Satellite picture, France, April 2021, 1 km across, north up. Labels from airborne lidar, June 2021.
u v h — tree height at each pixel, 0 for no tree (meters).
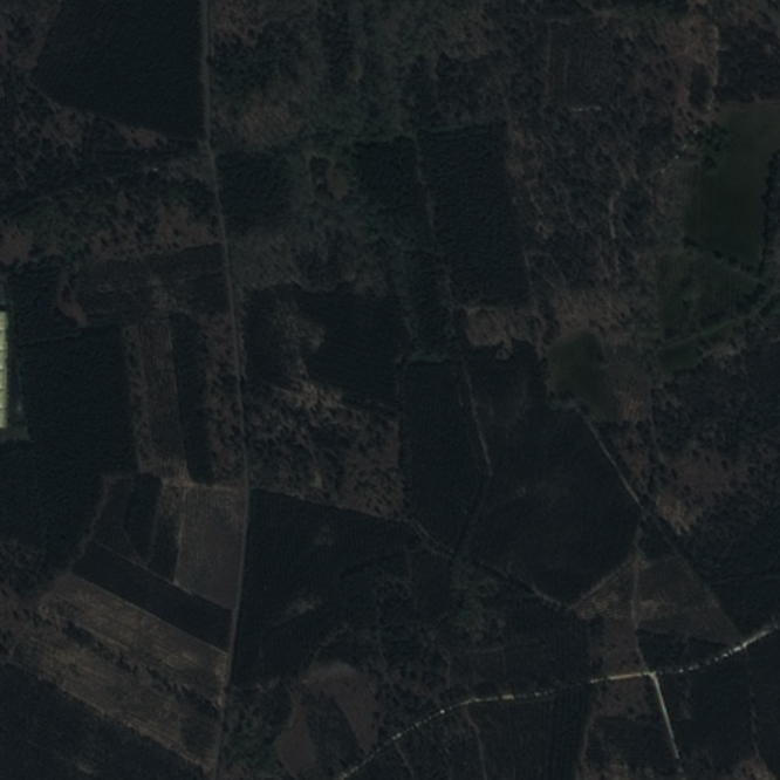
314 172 10
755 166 0
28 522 18
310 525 7
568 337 0
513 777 8
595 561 11
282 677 8
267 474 6
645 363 10
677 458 13
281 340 8
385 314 12
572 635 10
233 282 14
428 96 19
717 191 0
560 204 8
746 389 11
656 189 8
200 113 12
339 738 9
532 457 10
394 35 14
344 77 21
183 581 0
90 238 9
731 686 10
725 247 0
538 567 8
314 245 14
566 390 0
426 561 8
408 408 10
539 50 19
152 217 16
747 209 0
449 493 11
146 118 12
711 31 8
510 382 10
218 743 0
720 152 15
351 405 12
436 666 16
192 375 18
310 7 11
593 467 10
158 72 12
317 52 16
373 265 15
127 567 6
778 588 12
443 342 13
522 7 12
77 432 19
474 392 10
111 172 16
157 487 17
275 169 18
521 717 9
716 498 10
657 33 18
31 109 10
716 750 7
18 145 10
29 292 20
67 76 9
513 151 12
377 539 7
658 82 21
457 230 20
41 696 12
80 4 8
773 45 11
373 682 8
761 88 10
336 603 8
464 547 15
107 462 18
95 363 19
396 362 11
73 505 17
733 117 0
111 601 0
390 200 12
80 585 0
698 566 12
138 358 11
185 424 16
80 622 0
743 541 9
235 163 19
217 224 14
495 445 10
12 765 11
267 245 17
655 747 8
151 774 12
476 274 19
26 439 0
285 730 6
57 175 13
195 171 15
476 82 9
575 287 10
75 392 18
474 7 19
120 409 17
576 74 6
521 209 12
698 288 16
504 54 12
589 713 16
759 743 11
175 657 0
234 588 0
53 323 20
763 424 9
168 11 11
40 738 13
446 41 18
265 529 7
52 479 18
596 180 7
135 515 19
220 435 14
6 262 0
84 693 0
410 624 10
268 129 16
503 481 8
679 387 13
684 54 10
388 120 16
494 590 11
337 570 8
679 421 20
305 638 8
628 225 7
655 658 11
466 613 19
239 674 9
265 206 18
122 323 6
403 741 10
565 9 12
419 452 11
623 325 9
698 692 8
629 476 13
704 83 10
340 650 9
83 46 7
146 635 0
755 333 13
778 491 10
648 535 18
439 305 12
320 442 15
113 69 11
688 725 8
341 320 10
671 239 16
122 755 10
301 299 9
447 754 20
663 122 7
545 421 9
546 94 7
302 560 7
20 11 9
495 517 10
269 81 21
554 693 17
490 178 19
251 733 14
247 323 10
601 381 0
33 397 17
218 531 0
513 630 11
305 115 20
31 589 12
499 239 19
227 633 6
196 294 7
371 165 12
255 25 11
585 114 7
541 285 6
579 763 14
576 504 7
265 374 10
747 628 12
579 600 10
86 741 10
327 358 11
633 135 17
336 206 9
